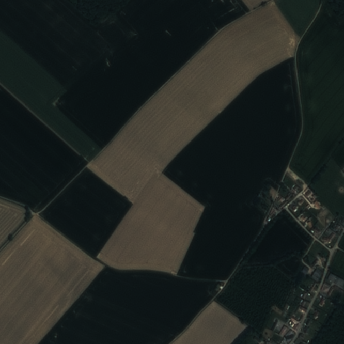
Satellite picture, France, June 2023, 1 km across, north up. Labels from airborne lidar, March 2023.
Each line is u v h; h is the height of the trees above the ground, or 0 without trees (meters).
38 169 0
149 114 0
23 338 0
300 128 0
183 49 0
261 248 0
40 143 0
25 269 0
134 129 0
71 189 0
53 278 0
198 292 0
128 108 0
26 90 0
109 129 0
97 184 0
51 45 0
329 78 0
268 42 0
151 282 0
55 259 0
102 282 0
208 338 0
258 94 0
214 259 0
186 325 0
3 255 0
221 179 0
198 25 0
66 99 0
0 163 0
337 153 0
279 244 0
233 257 0
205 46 0
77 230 0
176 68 0
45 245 0
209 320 0
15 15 0
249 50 0
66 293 0
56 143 0
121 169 0
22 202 0
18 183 0
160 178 0
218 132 0
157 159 0
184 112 0
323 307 0
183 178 0
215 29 0
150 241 0
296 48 0
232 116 0
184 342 0
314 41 0
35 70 0
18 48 0
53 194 0
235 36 0
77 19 0
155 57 0
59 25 0
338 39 0
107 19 0
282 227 0
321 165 0
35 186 0
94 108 0
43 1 0
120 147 0
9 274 0
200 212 0
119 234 0
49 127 0
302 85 0
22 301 0
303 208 0
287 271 0
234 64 0
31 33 0
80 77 0
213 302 0
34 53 0
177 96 0
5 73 0
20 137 0
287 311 0
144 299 0
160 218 0
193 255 0
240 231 0
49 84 0
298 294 0
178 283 0
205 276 0
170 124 0
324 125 0
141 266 0
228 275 0
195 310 0
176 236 0
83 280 0
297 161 0
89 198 0
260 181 0
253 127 0
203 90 0
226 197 0
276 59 0
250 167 0
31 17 0
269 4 0
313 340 10
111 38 0
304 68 0
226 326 0
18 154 0
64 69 0
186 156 0
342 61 0
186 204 0
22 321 0
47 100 0
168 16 0
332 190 0
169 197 0
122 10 0
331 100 0
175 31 0
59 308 0
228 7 0
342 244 0
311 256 0
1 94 0
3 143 0
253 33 0
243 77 0
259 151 0
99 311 0
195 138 0
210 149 0
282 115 0
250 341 0
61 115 0
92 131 0
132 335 0
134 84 0
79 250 0
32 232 0
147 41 0
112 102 0
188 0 0
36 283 0
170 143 0
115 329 0
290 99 0
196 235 0
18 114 0
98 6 18
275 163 0
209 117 0
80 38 0
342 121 0
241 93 0
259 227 0
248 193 0
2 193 0
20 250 0
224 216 0
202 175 0
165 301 0
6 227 0
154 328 0
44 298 0
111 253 0
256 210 0
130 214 0
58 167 0
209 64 0
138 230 0
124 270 0
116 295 0
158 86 0
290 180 0
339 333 12
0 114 0
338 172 0
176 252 0
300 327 0
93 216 0
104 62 0
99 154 0
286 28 0
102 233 0
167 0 0
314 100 0
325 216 0
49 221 0
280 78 0
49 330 0
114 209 0
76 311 0
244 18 0
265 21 0
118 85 0
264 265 6
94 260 0
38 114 0
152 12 0
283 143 0
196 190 0
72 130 0
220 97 0
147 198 0
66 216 0
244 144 0
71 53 0
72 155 0
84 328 0
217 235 0
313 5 0
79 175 0
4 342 0
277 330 0
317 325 0
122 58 0
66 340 0
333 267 0
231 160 0
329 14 0
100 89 0
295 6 0
